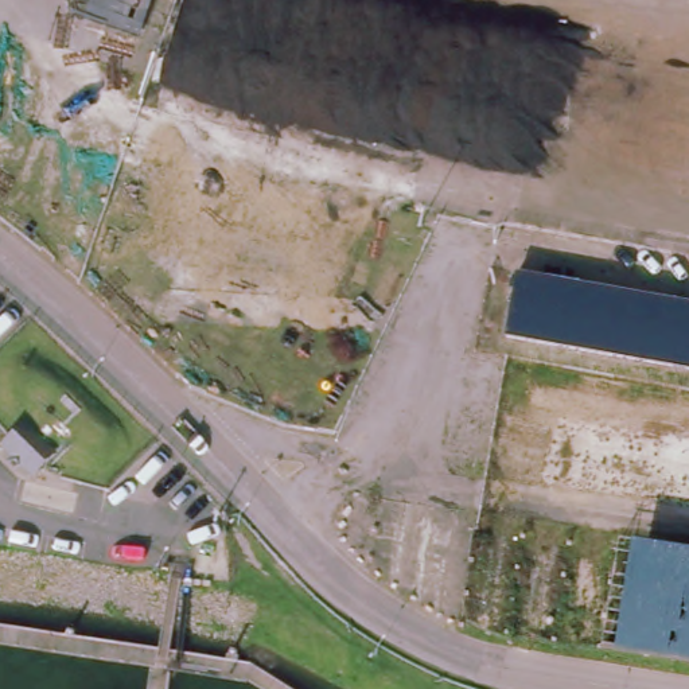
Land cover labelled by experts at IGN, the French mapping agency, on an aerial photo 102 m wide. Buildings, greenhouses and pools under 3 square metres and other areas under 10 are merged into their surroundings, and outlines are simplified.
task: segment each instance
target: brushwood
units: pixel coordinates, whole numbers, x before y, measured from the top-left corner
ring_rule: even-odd
[[[616,581],[616,576],[624,579],[630,530],[627,528],[597,530],[576,522],[546,522],[506,514],[503,509],[493,506],[493,482],[503,479],[503,468],[501,460],[506,458],[506,449],[501,447],[501,433],[506,414],[517,412],[517,406],[528,401],[530,390],[573,388],[581,382],[581,374],[541,363],[509,361],[501,382],[490,463],[444,463],[449,476],[460,476],[468,482],[484,479],[482,522],[479,530],[474,530],[471,565],[466,571],[466,611],[458,619],[463,622],[479,622],[482,630],[511,630],[511,641],[517,641],[519,635],[533,635],[546,641],[579,638],[589,646],[614,646],[616,635],[611,635],[608,630],[611,619],[619,616],[622,606],[622,584]]]

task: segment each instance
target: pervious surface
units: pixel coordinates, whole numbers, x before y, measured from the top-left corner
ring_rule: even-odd
[[[172,649],[202,651],[215,657],[237,651],[240,659],[272,673],[283,657],[266,646],[256,646],[248,641],[253,627],[250,622],[256,616],[253,600],[231,592],[213,592],[196,597],[191,589],[180,595],[180,611],[172,630]]]
[[[75,630],[81,635],[153,646],[159,643],[159,630],[153,627],[153,622],[164,611],[164,587],[170,571],[140,568],[140,563],[105,565],[81,560],[81,554],[43,554],[38,549],[27,549],[24,544],[0,544],[0,622],[40,630]]]
[[[159,78],[170,92],[210,105],[213,110],[234,113],[242,121],[256,121],[264,126],[269,137],[280,137],[283,129],[320,129],[353,140],[388,143],[401,151],[425,151],[444,161],[471,164],[476,170],[530,178],[546,161],[544,143],[560,137],[557,118],[563,116],[565,100],[573,92],[576,78],[581,75],[584,48],[589,46],[589,27],[579,22],[560,22],[560,13],[552,8],[503,5],[495,0],[178,0],[172,38],[164,40],[159,51]]]

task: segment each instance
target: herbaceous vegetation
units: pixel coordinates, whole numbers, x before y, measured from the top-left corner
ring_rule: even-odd
[[[689,659],[614,646],[589,646],[579,638],[546,641],[533,635],[519,635],[517,641],[511,641],[511,630],[482,630],[479,622],[463,622],[466,638],[503,649],[514,643],[546,654],[600,659],[689,676]]]
[[[369,256],[374,229],[369,226],[350,248],[342,280],[336,283],[336,299],[355,301],[361,299],[361,291],[371,291],[379,301],[388,293],[393,275],[412,277],[414,266],[420,264],[423,234],[428,234],[431,229],[423,226],[423,218],[414,210],[404,215],[396,207],[385,213],[390,229],[379,258]]]
[[[8,135],[11,148],[0,151],[0,167],[5,161],[16,161],[24,167],[35,135],[30,132],[30,126],[16,121],[13,135]]]
[[[126,326],[148,347],[164,353],[164,358],[180,358],[183,374],[194,385],[218,388],[223,398],[240,401],[250,409],[280,417],[285,423],[326,428],[334,425],[345,409],[350,382],[355,382],[361,374],[361,358],[371,353],[369,334],[358,326],[318,331],[310,326],[226,326],[210,318],[194,318],[191,323],[167,323],[159,320],[153,312],[143,310],[140,315],[124,315]]]
[[[75,226],[97,231],[113,226],[121,237],[121,248],[113,253],[108,250],[100,258],[100,269],[121,269],[126,275],[126,285],[143,285],[148,296],[156,301],[161,299],[161,293],[170,291],[172,277],[156,261],[148,258],[140,242],[132,237],[135,231],[153,231],[151,207],[135,207],[135,202],[118,188],[113,210],[105,210],[100,205],[102,183],[83,183],[81,188],[73,188],[70,178],[59,175],[57,186],[51,186],[43,180],[46,156],[38,156],[32,164],[32,178],[16,178],[11,194],[0,196],[0,215],[11,218],[54,258],[62,258],[59,245],[70,245],[75,240]]]
[[[46,404],[65,406],[65,396],[75,398],[83,406],[83,412],[67,425],[70,436],[62,439],[70,449],[59,455],[59,476],[75,479],[83,476],[100,482],[102,487],[113,487],[116,474],[143,449],[143,444],[148,444],[148,431],[137,420],[126,417],[116,404],[110,404],[97,379],[81,379],[73,369],[67,369],[70,358],[62,353],[59,342],[48,336],[40,326],[27,326],[16,336],[8,331],[0,339],[0,436],[16,431],[40,455],[57,452],[57,436],[46,436],[40,431],[46,423],[54,423],[54,417],[46,412]]]
[[[369,638],[361,638],[320,600],[315,600],[301,587],[291,584],[280,573],[275,557],[261,544],[266,536],[245,509],[240,509],[237,514],[221,511],[221,519],[229,519],[234,525],[234,530],[223,533],[229,552],[229,579],[196,581],[191,589],[196,597],[213,592],[231,592],[253,600],[256,616],[250,622],[253,627],[248,641],[256,646],[266,646],[283,657],[342,689],[471,689],[447,678],[436,678],[414,662],[396,657],[393,651],[371,643]]]

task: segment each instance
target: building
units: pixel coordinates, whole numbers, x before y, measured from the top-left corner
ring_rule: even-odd
[[[0,436],[0,460],[24,484],[24,501],[48,511],[70,514],[75,509],[75,479],[59,476],[59,455],[57,452],[40,455],[16,431]]]
[[[70,0],[70,8],[78,19],[89,19],[100,27],[135,38],[143,27],[151,24],[159,0]]]
[[[630,530],[624,579],[616,576],[616,581],[622,584],[622,606],[619,616],[611,619],[608,630],[611,635],[616,635],[614,646],[689,659],[689,498],[657,498],[651,528]]]
[[[689,366],[689,277],[678,280],[670,272],[651,275],[638,264],[630,269],[616,266],[606,258],[530,248],[525,264],[514,272],[509,307],[509,334],[641,358],[659,358]]]

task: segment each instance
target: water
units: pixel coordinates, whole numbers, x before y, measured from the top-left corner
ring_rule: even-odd
[[[0,646],[0,689],[145,689],[148,667]]]
[[[272,673],[293,689],[342,689],[283,657]]]
[[[256,689],[253,684],[226,681],[218,676],[175,673],[170,678],[170,689]]]

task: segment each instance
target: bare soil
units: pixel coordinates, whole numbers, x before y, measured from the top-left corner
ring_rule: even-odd
[[[557,420],[557,425],[549,433],[541,431],[538,420],[528,412],[528,401],[517,406],[517,412],[506,414],[501,433],[501,447],[506,449],[506,458],[501,460],[503,468],[528,466],[533,474],[544,474],[544,479],[560,474],[571,482],[571,490],[630,495],[635,501],[635,509],[627,528],[630,530],[651,528],[657,498],[689,498],[689,436],[622,436],[608,425],[573,420]]]

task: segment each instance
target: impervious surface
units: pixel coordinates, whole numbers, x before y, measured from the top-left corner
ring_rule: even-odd
[[[164,587],[164,611],[153,622],[153,627],[159,630],[159,643],[153,646],[81,635],[75,630],[40,630],[0,622],[0,646],[148,667],[145,689],[170,689],[170,678],[175,673],[218,676],[226,681],[253,684],[256,689],[293,689],[272,673],[240,659],[237,651],[215,657],[202,651],[172,649],[172,630],[180,611],[180,595],[191,589],[196,581],[229,579],[229,552],[223,533],[234,530],[234,525],[229,519],[221,519],[221,511],[237,514],[240,509],[245,509],[266,536],[261,544],[275,557],[280,573],[291,584],[301,587],[315,600],[320,600],[361,638],[369,638],[371,643],[393,651],[396,657],[414,662],[436,678],[447,678],[471,689],[689,689],[689,676],[600,659],[546,654],[514,643],[503,649],[466,638],[463,622],[458,619],[466,611],[466,571],[471,565],[474,530],[479,530],[482,522],[484,479],[468,482],[460,476],[449,476],[444,463],[490,463],[501,382],[509,361],[541,363],[581,374],[581,382],[573,388],[530,390],[528,401],[528,412],[538,420],[541,431],[549,433],[557,425],[557,420],[573,420],[608,425],[622,436],[689,436],[689,366],[659,358],[641,358],[509,334],[509,307],[514,272],[525,264],[530,248],[606,258],[616,266],[630,269],[638,264],[651,275],[670,272],[678,280],[689,277],[689,0],[495,0],[503,5],[552,8],[560,13],[560,22],[579,22],[589,27],[589,46],[584,48],[581,75],[576,78],[573,92],[565,100],[563,116],[557,118],[560,137],[544,143],[546,161],[530,178],[476,170],[471,164],[444,161],[425,151],[401,151],[388,143],[353,140],[320,129],[283,129],[280,137],[269,137],[264,126],[256,121],[242,121],[234,113],[213,110],[210,105],[170,92],[159,78],[159,51],[164,40],[172,38],[178,0],[159,0],[151,24],[143,27],[135,38],[100,27],[89,19],[78,19],[70,8],[70,0],[0,0],[0,151],[11,148],[8,135],[13,135],[16,121],[30,126],[30,132],[35,135],[24,167],[16,161],[5,161],[0,167],[0,196],[11,194],[16,178],[32,178],[32,164],[38,156],[46,156],[43,180],[51,186],[57,186],[59,175],[70,178],[73,188],[81,188],[83,183],[102,183],[100,205],[105,210],[113,210],[118,188],[135,202],[135,207],[151,207],[153,231],[135,231],[132,237],[140,242],[148,258],[156,261],[172,277],[170,291],[161,293],[161,299],[156,301],[148,296],[143,285],[126,285],[126,275],[121,269],[100,269],[100,258],[108,250],[113,253],[121,248],[121,237],[113,226],[97,231],[75,226],[75,240],[70,245],[59,245],[62,258],[54,258],[11,218],[0,215],[0,339],[8,331],[16,336],[27,326],[40,326],[48,336],[59,342],[62,353],[70,358],[67,369],[73,369],[81,379],[97,379],[110,404],[116,404],[126,417],[137,420],[148,431],[148,444],[143,444],[143,449],[116,474],[113,487],[102,487],[100,482],[83,476],[75,479],[75,509],[70,514],[48,511],[24,501],[24,484],[0,460],[0,544],[24,544],[27,549],[38,549],[43,554],[81,554],[81,560],[105,565],[140,563],[140,568],[170,571]],[[336,283],[342,280],[350,248],[369,226],[374,229],[369,256],[379,258],[390,229],[385,213],[396,207],[404,215],[414,210],[423,218],[423,226],[431,229],[428,234],[423,234],[420,264],[414,266],[412,277],[393,275],[388,293],[379,301],[371,291],[361,291],[361,299],[355,301],[336,299]],[[350,382],[345,409],[334,425],[326,428],[285,423],[280,417],[250,409],[240,401],[223,398],[218,388],[194,385],[183,374],[180,358],[164,358],[164,353],[148,347],[126,326],[124,315],[140,315],[143,310],[153,312],[159,320],[167,323],[191,323],[194,318],[210,318],[226,326],[310,326],[318,331],[358,326],[369,334],[371,353],[361,358],[361,374],[355,382]]]
[[[57,436],[57,452],[59,455],[70,449],[62,439],[70,436],[67,425],[83,412],[83,406],[75,398],[65,396],[65,406],[46,404],[46,412],[54,417],[54,423],[46,423],[40,431],[46,436]]]
[[[571,490],[571,482],[560,474],[544,479],[544,474],[533,474],[528,466],[503,468],[503,479],[493,482],[493,506],[503,509],[506,514],[546,522],[576,522],[597,530],[627,528],[635,509],[635,501],[630,495]]]

